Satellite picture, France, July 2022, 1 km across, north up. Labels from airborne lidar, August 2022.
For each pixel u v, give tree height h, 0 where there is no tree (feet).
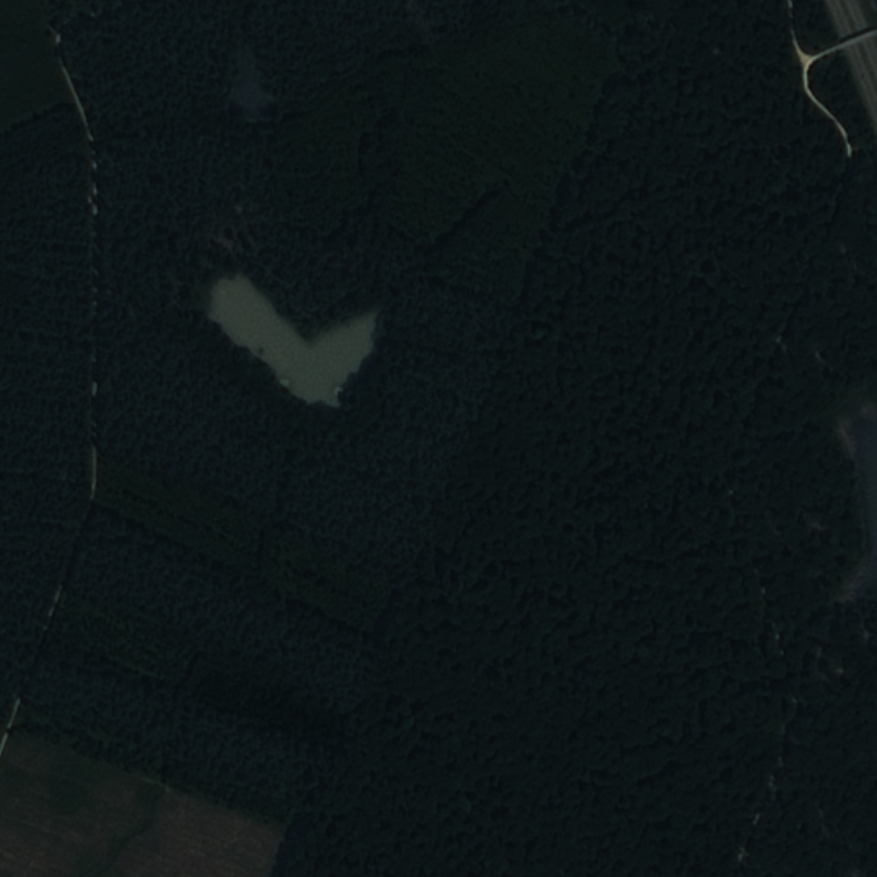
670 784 83
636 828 94
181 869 0
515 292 18
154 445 103
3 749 0
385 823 101
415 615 88
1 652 62
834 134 83
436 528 92
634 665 100
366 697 93
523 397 89
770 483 84
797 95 82
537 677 85
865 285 85
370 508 92
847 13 0
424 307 96
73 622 21
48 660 87
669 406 84
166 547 55
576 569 89
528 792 78
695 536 90
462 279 24
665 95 85
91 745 26
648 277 78
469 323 112
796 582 95
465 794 80
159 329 106
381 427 93
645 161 73
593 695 84
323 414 72
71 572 79
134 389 92
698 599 101
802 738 85
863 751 89
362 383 72
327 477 98
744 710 82
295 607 64
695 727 85
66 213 89
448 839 96
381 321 26
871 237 97
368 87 26
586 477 44
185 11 84
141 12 82
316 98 62
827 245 84
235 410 71
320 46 68
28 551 48
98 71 77
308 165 18
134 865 0
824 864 91
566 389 90
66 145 45
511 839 71
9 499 60
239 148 123
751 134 79
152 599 99
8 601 64
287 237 92
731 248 94
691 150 83
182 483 62
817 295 87
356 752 110
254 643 77
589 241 89
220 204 80
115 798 0
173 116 94
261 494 108
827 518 82
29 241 62
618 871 85
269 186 95
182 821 0
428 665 100
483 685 81
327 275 74
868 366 74
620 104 69
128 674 44
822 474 74
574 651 60
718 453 89
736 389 84
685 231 80
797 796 80
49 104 0
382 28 85
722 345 87
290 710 37
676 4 73
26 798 0
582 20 82
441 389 40
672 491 64
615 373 88
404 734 96
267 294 50
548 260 87
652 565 90
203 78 88
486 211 44
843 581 45
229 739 89
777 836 90
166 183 89
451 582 85
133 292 90
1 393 49
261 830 0
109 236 97
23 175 53
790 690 80
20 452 78
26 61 0
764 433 55
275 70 78
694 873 81
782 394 67
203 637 56
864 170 86
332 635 90
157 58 81
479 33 64
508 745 88
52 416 71
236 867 0
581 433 87
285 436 83
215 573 53
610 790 87
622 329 83
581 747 89
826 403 49
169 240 54
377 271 65
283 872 71
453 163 27
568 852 81
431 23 62
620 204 83
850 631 61
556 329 83
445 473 102
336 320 53
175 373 76
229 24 83
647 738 90
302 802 26
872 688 82
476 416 62
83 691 96
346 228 39
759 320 94
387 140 62
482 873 91
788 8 28
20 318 82
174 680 24
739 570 94
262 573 25
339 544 82
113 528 67
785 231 82
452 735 89
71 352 82
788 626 89
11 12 0
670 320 73
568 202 86
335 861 93
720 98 73
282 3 91
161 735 86
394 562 52
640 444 94
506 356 88
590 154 39
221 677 30
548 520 94
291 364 0
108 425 78
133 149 102
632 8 71
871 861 79
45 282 83
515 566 98
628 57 59
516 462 89
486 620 88
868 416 0
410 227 18
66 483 75
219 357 75
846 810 83
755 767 71
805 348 99
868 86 0
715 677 83
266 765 107
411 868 91
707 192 80
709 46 83
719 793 87
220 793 21
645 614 60
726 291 88
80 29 93
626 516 94
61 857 0
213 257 58
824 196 82
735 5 85
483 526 95
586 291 90
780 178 92
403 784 81
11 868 0
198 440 70
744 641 73
